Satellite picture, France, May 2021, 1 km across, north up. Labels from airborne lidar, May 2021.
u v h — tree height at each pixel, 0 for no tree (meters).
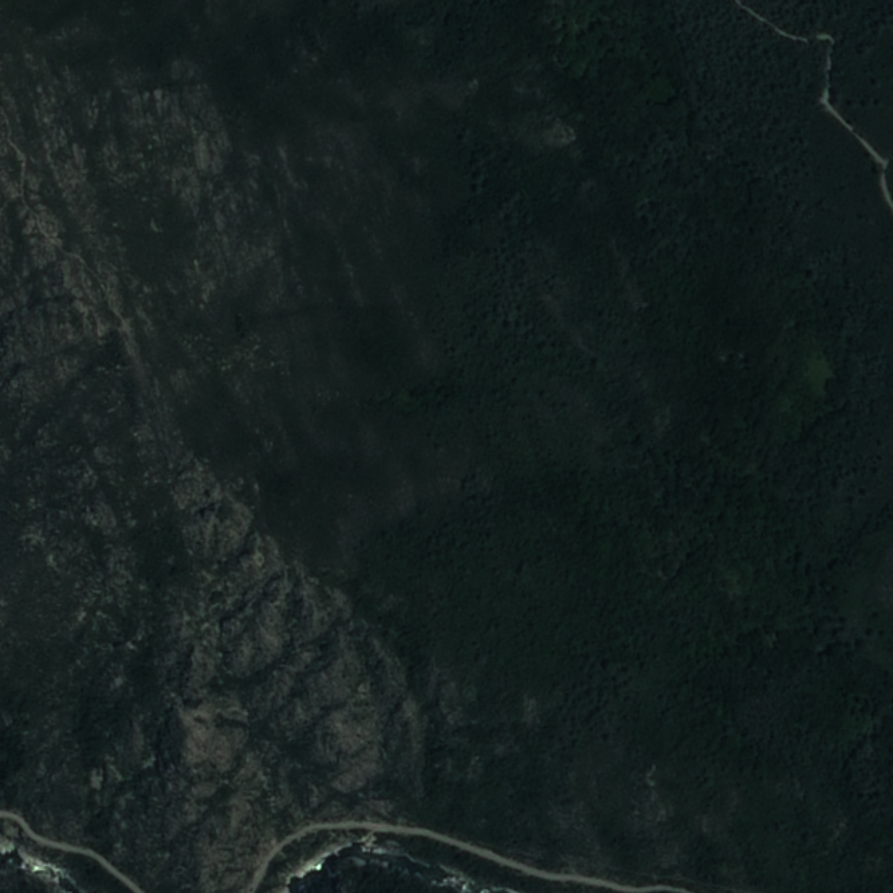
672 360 14
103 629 6
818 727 19
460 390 11
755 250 14
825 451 9
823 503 8
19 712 17
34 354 0
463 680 7
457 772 9
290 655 6
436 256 6
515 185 17
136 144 0
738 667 20
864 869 7
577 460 10
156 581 7
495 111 6
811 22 15
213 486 0
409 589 7
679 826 7
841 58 8
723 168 17
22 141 0
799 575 19
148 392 0
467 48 13
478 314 9
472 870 10
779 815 6
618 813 6
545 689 6
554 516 8
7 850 0
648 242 19
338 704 7
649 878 8
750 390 14
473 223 21
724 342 17
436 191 6
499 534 9
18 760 18
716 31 15
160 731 6
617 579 13
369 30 11
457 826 8
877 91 6
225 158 0
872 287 8
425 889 7
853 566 18
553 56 15
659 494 16
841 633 22
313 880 7
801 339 11
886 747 14
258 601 6
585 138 17
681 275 20
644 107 19
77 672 7
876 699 14
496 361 7
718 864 14
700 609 12
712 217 18
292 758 6
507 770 7
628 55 14
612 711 15
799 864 8
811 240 6
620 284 9
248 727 7
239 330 6
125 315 0
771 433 11
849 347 7
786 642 16
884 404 14
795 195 6
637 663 12
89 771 11
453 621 7
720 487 21
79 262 0
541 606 11
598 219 13
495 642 6
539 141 5
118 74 0
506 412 7
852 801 15
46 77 0
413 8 11
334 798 6
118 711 8
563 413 7
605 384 9
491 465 8
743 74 16
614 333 11
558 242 7
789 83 10
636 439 6
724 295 20
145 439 0
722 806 6
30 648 5
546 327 9
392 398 7
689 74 14
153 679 6
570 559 11
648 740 5
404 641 10
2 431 0
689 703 10
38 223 0
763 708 22
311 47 6
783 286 11
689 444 22
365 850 0
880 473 15
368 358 5
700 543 14
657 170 19
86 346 0
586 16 19
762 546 16
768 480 15
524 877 5
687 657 9
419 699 6
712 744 12
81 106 0
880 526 17
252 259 0
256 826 8
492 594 10
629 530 18
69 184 0
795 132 10
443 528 11
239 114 7
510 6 11
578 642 10
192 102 0
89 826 7
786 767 11
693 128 20
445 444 6
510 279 10
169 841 7
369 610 11
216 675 6
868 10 13
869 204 10
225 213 0
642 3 20
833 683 20
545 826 6
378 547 6
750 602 15
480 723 7
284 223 0
